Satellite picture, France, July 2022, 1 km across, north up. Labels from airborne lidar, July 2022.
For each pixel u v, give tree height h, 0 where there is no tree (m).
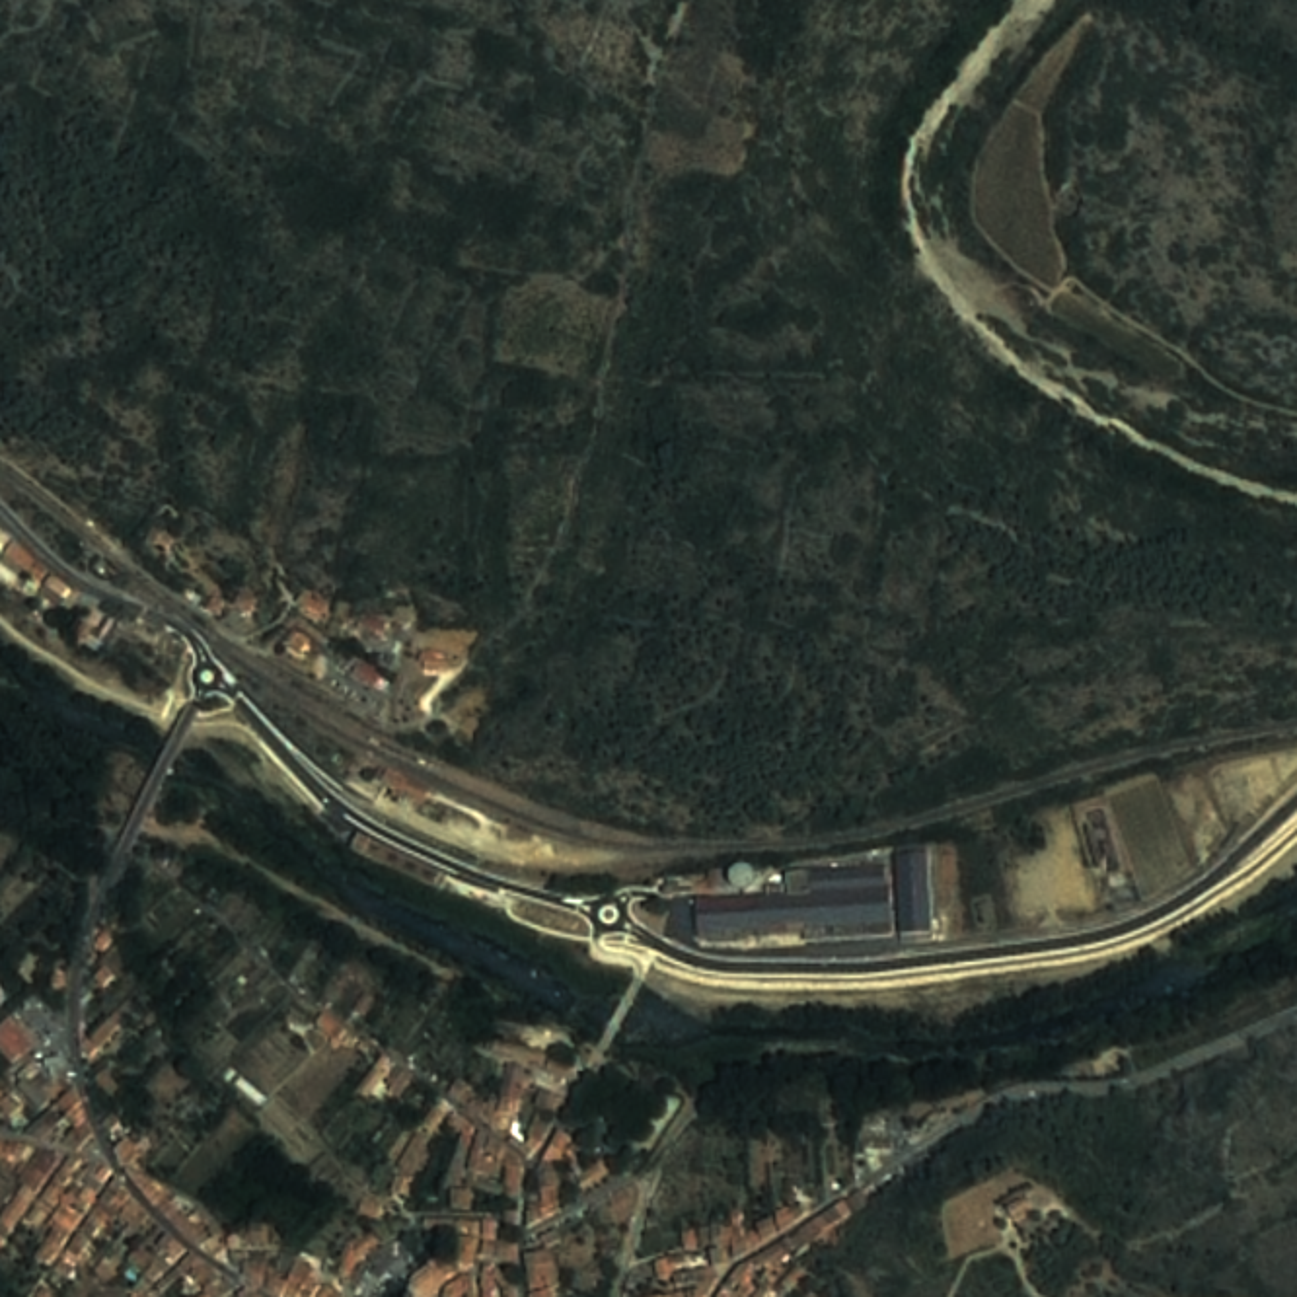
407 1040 0
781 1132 15
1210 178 0
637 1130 19
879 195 5
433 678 0
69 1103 0
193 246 9
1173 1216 0
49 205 13
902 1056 10
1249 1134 0
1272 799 0
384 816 0
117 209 12
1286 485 6
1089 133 0
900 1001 0
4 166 10
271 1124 0
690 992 0
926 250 0
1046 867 0
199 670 0
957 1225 0
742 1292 0
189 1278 0
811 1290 14
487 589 11
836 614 0
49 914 14
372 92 0
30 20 0
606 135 0
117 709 14
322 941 13
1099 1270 7
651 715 9
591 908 0
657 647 6
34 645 0
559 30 0
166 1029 6
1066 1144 14
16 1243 8
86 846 13
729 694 9
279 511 0
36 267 7
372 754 0
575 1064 12
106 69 0
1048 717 0
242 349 7
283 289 8
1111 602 11
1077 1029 15
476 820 0
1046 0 0
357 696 0
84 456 9
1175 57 0
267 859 6
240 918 0
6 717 20
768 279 0
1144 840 0
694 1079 6
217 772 13
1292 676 6
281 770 0
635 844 0
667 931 0
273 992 0
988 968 0
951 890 0
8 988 6
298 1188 15
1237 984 6
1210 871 0
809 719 8
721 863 10
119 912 12
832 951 0
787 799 12
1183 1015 10
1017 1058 6
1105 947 0
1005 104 6
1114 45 0
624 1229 7
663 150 0
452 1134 12
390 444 0
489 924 6
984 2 6
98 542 0
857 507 0
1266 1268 0
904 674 5
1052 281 0
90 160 12
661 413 8
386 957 8
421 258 6
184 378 6
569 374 0
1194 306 0
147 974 8
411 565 0
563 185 0
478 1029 6
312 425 6
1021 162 0
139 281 11
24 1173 0
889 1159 0
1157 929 0
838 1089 22
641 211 0
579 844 0
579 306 0
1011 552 10
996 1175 11
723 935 0
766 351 0
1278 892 10
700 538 6
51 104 5
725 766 15
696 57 0
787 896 0
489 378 5
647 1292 10
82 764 11
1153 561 13
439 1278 0
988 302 0
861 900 0
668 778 11
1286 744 0
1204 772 0
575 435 10
